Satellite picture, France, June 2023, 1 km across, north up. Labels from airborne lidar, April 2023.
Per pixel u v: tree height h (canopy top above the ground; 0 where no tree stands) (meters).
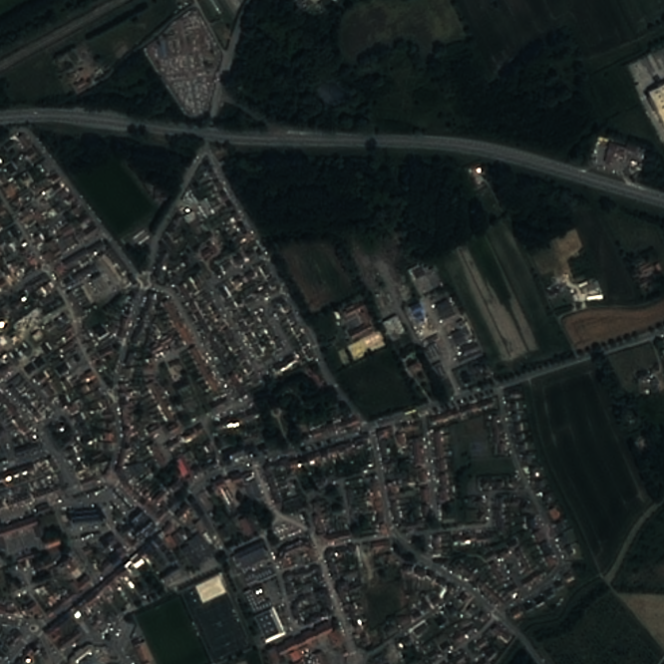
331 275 0
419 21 0
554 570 0
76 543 0
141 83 10
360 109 9
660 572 0
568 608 0
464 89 12
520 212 14
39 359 7
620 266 0
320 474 12
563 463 0
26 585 0
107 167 0
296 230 15
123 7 0
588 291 0
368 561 0
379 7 0
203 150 0
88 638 0
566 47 18
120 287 0
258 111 18
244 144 0
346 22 0
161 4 0
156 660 0
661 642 0
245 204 26
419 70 16
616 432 0
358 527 12
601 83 0
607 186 0
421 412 0
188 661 0
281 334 0
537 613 0
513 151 0
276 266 17
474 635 0
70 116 0
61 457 0
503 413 0
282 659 8
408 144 0
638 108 0
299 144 0
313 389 9
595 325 0
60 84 0
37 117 0
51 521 0
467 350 0
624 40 0
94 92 7
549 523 0
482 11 0
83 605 0
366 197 14
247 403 0
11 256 0
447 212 24
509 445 0
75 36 0
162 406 0
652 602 0
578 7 0
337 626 8
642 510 0
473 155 0
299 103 8
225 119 9
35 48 0
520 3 0
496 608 0
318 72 16
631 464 0
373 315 8
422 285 0
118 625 0
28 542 0
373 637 0
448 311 0
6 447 0
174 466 12
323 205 29
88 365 0
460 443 0
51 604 0
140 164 26
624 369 0
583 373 0
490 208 0
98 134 0
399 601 0
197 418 0
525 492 0
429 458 0
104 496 0
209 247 0
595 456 0
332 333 0
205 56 0
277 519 0
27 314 0
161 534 0
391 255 0
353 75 8
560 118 12
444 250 20
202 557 0
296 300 19
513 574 0
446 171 14
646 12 0
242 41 8
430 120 0
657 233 0
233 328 0
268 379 15
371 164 16
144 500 0
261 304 0
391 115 0
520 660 17
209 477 0
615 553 0
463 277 0
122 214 0
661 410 0
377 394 0
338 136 0
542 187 15
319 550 0
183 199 0
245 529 0
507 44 0
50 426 6
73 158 13
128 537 0
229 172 13
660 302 0
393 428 0
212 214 0
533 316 0
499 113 12
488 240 0
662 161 11
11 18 17
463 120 0
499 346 0
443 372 0
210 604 0
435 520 21
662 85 0
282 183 19
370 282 0
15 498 0
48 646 0
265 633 0
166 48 0
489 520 0
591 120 7
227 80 22
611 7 0
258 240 0
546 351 0
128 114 14
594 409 0
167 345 0
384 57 20
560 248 0
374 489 0
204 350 0
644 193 0
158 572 0
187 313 0
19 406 0
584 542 0
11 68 0
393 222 16
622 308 0
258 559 0
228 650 0
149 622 0
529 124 13
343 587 0
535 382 0
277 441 16
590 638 0
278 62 6
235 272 0
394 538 0
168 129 0
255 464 0
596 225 0
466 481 0
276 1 7
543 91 6
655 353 0
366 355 7
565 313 0
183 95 0
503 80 8
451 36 0
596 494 0
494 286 0
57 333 0
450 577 0
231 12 0
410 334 0
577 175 0
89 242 0
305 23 12
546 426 0
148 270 0
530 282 0
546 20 0
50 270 0
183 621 0
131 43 0
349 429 8
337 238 13
